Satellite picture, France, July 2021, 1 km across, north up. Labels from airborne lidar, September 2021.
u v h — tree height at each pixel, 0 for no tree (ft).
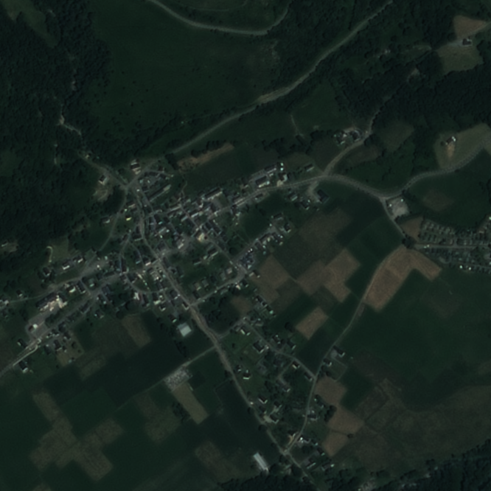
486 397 0
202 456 0
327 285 0
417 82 74
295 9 62
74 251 0
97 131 28
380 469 0
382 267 0
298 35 50
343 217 0
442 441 0
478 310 0
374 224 0
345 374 0
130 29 0
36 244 49
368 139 49
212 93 0
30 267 0
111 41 0
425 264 0
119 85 0
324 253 0
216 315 43
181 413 34
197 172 0
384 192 0
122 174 64
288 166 0
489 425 0
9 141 69
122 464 0
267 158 0
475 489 76
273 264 0
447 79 52
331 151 0
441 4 50
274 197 0
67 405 0
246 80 0
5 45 36
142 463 0
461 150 0
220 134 0
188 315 0
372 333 0
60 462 0
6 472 0
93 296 0
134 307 73
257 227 0
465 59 0
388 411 0
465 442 0
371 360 0
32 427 0
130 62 0
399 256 0
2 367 0
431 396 0
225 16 0
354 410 0
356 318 0
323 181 0
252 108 44
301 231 0
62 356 0
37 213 49
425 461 0
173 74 0
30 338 0
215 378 0
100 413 0
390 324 0
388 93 46
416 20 28
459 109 47
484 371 0
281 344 30
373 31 58
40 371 0
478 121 46
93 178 0
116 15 0
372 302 0
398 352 0
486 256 0
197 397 0
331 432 0
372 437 0
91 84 49
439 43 54
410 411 0
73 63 27
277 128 0
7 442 0
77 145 24
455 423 0
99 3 0
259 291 0
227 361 0
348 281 0
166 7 0
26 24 47
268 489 60
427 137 46
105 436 0
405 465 0
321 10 78
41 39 52
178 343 33
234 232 20
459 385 0
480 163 0
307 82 23
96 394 0
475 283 0
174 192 0
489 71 80
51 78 25
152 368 0
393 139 0
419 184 0
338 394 0
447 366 0
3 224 83
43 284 37
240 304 0
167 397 0
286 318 0
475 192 0
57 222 50
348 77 39
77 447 0
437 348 0
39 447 0
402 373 0
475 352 0
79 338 0
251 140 0
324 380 0
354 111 47
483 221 20
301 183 0
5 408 0
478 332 0
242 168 0
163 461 0
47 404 0
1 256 22
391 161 22
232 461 0
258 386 0
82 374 0
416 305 0
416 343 0
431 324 0
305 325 0
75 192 0
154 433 0
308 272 0
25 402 0
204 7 0
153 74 0
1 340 0
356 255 0
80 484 0
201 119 37
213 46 0
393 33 0
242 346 0
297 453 0
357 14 60
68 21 74
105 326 0
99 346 0
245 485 48
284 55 40
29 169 59
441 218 22
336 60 61
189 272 0
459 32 0
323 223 0
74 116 35
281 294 0
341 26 52
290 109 70
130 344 0
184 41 0
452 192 0
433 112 53
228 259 0
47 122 70
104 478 0
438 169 0
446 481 79
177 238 0
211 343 0
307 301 0
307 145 63
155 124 35
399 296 0
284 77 35
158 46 0
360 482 47
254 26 0
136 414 0
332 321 0
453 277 0
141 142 64
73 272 0
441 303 0
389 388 0
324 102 0
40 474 0
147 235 25
